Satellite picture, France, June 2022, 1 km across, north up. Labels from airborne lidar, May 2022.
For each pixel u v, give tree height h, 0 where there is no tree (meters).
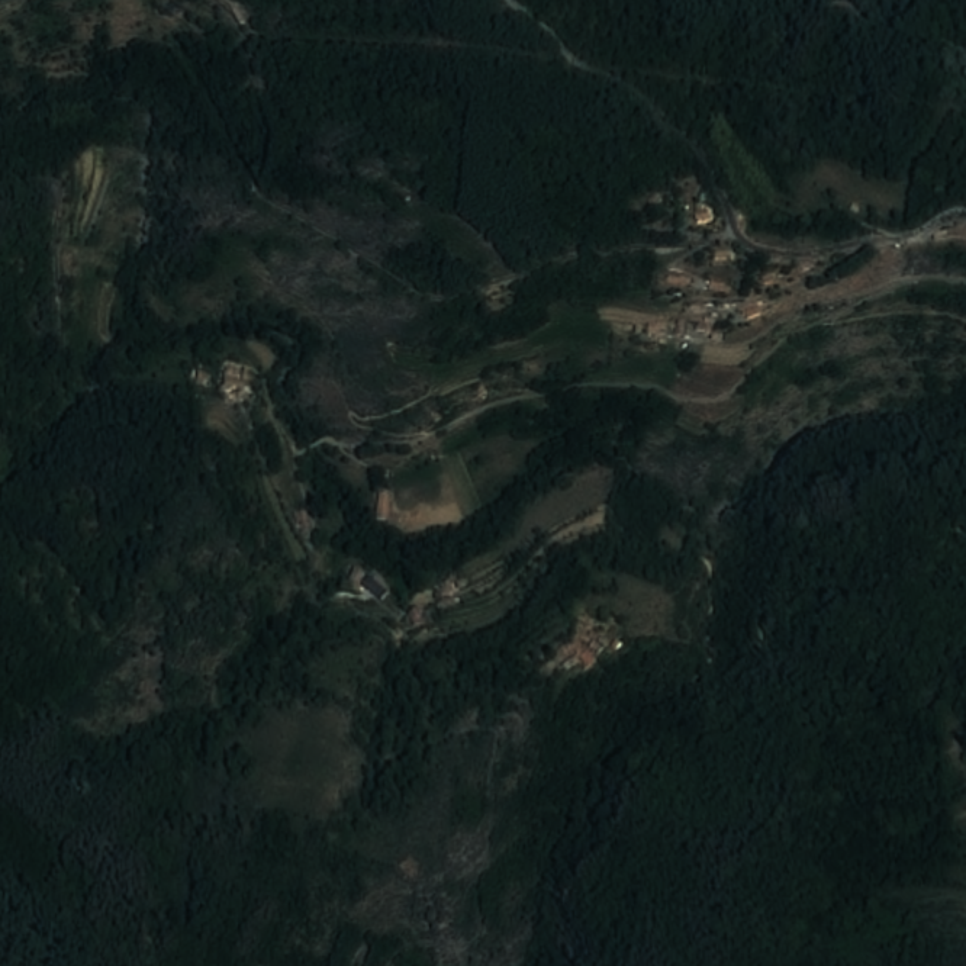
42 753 22
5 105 11
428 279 8
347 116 12
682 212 6
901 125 27
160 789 18
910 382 14
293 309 13
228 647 12
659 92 12
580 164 21
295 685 10
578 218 18
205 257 12
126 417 20
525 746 6
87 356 9
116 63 16
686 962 24
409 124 17
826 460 13
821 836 17
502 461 0
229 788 7
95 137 14
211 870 9
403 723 9
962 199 10
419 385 0
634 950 19
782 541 15
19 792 22
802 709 17
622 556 14
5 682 22
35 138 10
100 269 8
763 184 18
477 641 13
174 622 13
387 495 0
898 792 8
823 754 11
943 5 15
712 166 8
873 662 13
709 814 16
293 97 13
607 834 21
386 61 16
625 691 20
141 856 21
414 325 0
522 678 7
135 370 13
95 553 14
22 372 15
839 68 19
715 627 20
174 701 7
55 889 19
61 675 9
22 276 6
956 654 19
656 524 9
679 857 19
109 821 24
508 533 16
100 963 18
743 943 24
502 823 8
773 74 24
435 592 8
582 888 20
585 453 23
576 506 0
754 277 7
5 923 38
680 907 23
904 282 0
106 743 18
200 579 8
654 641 6
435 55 16
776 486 30
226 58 18
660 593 0
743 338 0
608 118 24
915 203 15
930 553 21
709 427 8
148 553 20
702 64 18
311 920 10
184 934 9
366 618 10
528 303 17
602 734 16
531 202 28
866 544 16
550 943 14
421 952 9
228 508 14
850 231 20
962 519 21
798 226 12
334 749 0
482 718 6
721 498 6
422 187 10
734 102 38
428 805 0
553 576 14
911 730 11
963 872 0
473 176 25
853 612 15
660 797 20
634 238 9
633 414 14
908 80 34
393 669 13
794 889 23
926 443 25
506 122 28
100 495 13
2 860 10
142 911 18
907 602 16
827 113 23
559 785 21
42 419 12
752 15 31
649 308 0
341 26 16
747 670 18
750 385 7
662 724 21
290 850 7
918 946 8
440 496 0
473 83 24
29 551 13
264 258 13
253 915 12
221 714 17
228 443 9
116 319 12
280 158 14
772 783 17
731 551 16
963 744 8
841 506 22
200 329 32
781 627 16
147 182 9
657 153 15
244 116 14
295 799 0
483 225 25
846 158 18
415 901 7
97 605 18
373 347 0
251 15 8
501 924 7
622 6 18
